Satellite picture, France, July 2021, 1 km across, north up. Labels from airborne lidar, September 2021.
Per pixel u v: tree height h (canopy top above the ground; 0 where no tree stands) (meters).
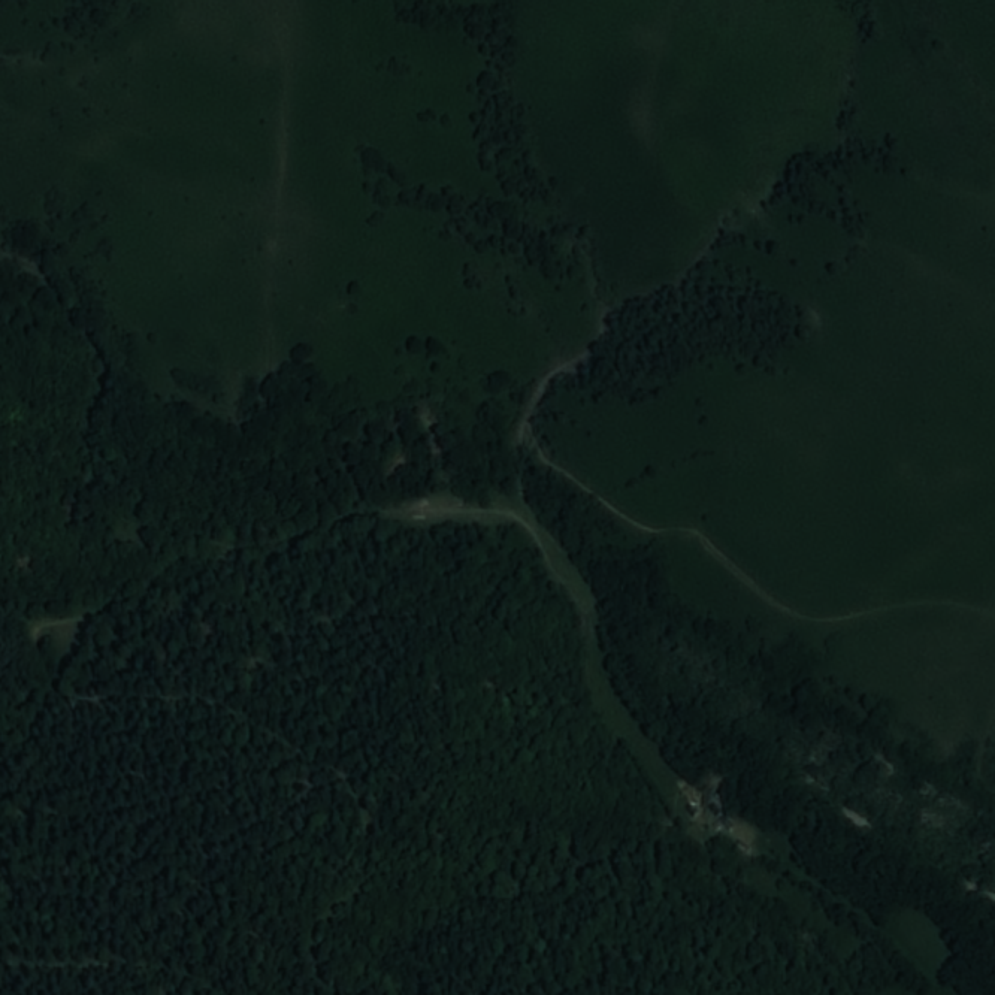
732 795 16
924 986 23
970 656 0
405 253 0
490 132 20
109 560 21
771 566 0
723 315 20
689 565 0
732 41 0
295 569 29
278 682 26
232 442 30
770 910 25
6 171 0
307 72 0
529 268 8
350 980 29
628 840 24
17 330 30
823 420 0
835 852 29
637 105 0
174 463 22
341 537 29
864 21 9
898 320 0
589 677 13
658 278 0
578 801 20
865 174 0
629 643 11
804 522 0
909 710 0
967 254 0
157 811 29
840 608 0
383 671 12
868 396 0
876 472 0
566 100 0
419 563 31
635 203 0
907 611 0
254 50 0
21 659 22
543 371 0
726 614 0
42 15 0
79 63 0
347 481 34
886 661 0
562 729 28
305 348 17
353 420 26
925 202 0
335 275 0
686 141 0
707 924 21
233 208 0
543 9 0
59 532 19
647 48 0
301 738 17
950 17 0
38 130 0
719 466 0
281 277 0
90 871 24
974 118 0
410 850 23
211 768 32
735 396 0
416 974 18
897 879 27
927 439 0
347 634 24
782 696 8
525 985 25
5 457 20
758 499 0
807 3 0
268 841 30
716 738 27
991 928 23
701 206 0
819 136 0
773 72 0
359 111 0
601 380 20
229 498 14
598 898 24
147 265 0
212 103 0
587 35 0
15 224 7
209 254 0
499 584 29
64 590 18
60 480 23
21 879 22
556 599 22
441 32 8
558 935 24
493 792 20
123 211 0
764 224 0
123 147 0
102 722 22
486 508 7
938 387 0
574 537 12
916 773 9
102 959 21
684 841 17
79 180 0
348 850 22
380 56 0
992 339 0
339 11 0
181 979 19
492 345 0
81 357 28
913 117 0
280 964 22
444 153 0
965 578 0
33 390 23
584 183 0
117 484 18
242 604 28
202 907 33
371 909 22
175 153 0
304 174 0
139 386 19
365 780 11
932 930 0
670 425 0
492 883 9
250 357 0
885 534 0
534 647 21
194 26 0
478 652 24
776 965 28
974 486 0
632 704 26
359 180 0
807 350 0
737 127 0
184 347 0
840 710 12
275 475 30
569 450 0
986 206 0
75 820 19
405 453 8
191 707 16
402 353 10
